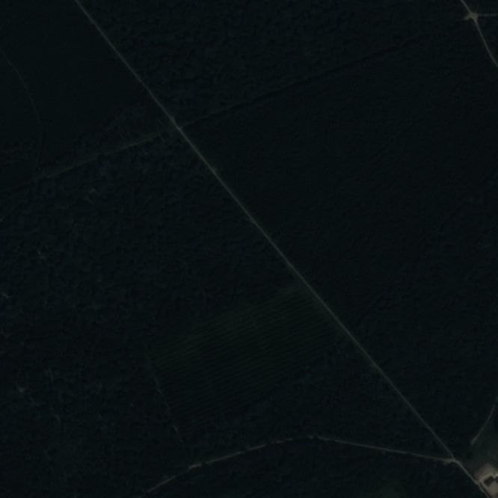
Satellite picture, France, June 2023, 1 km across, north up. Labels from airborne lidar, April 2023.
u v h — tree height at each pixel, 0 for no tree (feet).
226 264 65
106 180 66
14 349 73
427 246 66
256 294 53
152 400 61
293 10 81
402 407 55
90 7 73
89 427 77
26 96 36
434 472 73
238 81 80
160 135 0
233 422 85
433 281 69
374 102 41
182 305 64
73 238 69
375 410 50
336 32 85
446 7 49
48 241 68
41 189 64
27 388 0
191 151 57
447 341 76
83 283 80
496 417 46
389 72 38
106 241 83
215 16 83
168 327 58
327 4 71
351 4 87
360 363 63
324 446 72
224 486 75
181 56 66
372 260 38
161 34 85
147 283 76
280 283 57
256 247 62
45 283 74
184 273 60
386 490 0
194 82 81
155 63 68
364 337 57
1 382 65
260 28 80
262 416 77
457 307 69
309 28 82
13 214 21
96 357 68
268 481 35
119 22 77
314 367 58
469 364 67
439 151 51
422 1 65
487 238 65
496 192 81
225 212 61
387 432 64
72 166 0
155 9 88
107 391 72
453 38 42
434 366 73
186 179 70
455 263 79
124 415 70
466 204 70
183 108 72
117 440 56
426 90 48
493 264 63
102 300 73
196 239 69
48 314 69
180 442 72
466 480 60
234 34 77
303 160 41
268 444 0
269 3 73
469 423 67
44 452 0
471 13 0
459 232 74
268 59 74
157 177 64
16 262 47
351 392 65
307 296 0
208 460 0
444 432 68
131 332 79
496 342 75
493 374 73
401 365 55
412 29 66
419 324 70
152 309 77
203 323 0
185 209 60
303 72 62
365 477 67
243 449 59
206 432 71
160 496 64
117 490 77
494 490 0
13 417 67
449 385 64
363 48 81
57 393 66
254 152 42
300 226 41
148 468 68
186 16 79
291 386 52
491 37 44
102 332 74
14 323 77
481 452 0
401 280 89
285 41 70
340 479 78
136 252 68
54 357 82
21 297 74
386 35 62
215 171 0
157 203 67
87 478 73
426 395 67
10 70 29
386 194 31
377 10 80
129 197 75
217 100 0
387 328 70
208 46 87
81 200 78
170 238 56
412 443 71
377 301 63
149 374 61
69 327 89
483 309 70
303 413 72
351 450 67
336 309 26
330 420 68
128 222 65
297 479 63
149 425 73
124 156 68
